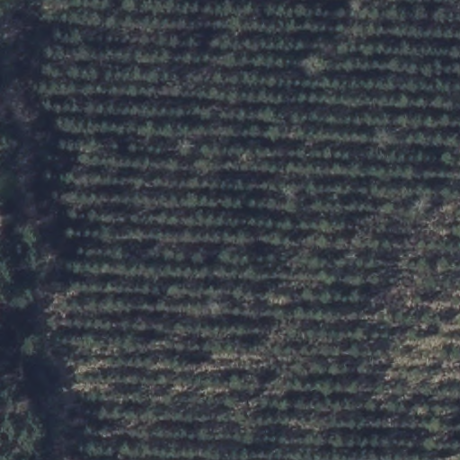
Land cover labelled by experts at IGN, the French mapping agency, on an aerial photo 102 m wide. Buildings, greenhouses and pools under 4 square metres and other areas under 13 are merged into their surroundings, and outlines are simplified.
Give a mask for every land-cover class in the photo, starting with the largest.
<instances>
[{"label":"brushwood","instance_id":"1","mask_svg":"<svg viewBox=\"0 0 460 460\"><path fill-rule=\"evenodd\" d=\"M180 4H198V11L160 13L149 9H124V0H110L108 7H59L56 18L50 20L45 25V31L49 34L45 41V45L49 47L45 72L50 75V83L75 84V92H31L32 110L40 113L41 119L50 129L47 151L41 160L40 174L49 180L47 185L54 192L102 196L194 194L205 198L241 199V207H146L126 203H68L70 212L57 216L50 223L54 228V234L59 235L66 243V253L59 257L66 262H90L110 266L144 264L194 270L208 268L207 277H129L66 270L63 277L70 287L63 295L54 296V302L50 304L49 309V336L50 340L56 343L59 336H93L99 340H111L108 349L101 350L99 345H95L92 350L75 347L68 358L79 359L83 363L106 359L122 358L124 350L115 349L113 340L129 338L133 341L169 340L178 343L232 345V352H223L221 356L212 354L208 365H214L216 370L246 368V376L243 379L257 383L253 390H244L237 401L243 402V413L252 417H293L289 426H244L234 420L219 422V413H230V408L225 406L201 404V413H207L205 422L147 420L144 411L147 410L174 411L171 404L142 399L140 402L92 401L88 404V411L83 415L84 422L90 426L84 431L90 444L113 447V453L108 456L110 460H133L122 455V446L181 447L216 451H311L343 455H420L426 447V438L428 431L424 428H392L394 420H386L390 410H376V404L368 401L372 394H352L349 392L350 383L383 385L386 381V370L392 368L394 359L413 352L410 343H415V340L437 336L438 327L424 325L420 320L408 331L406 323L392 325L377 322L376 313L383 311L388 314L401 313L410 316L431 314L442 316L446 322L449 323L455 320L456 316H460V252L419 250V241L460 244V180L298 174L289 171L280 174L235 169L199 171L196 162L203 160L217 165L237 162L241 158L237 155H205L201 153L203 146L268 147L305 149V156H250L252 164L322 167L363 165L385 169L411 167L415 171L460 172V146L410 144L408 137L424 133L460 137V126H426V119H428V117H431V119H440V117H451V119H460V108L226 101L164 95L162 88L180 86L187 90H232L277 95L309 93L336 97H410L460 101V75L455 72H433L426 75L379 68H325L307 72L304 66H226L219 63L180 61L146 63L138 59H77L74 57V50H140L172 56H273L300 61L307 57H316L323 61L358 59L404 61L415 65H460V57L327 52L314 49V43H347L350 34L338 32V25L422 27L460 31V0H361V9H404V20H390L367 18L361 14L352 16L350 0H172ZM228 2L234 5H253V13L241 14L239 20L273 23L275 32L207 27L205 22L230 20L226 14L205 13V5ZM268 5L320 7L327 11V16H279L268 13ZM75 13L99 14L101 23H72V14ZM110 16L140 20H189L194 22L196 29H113L108 27ZM287 22L320 23L325 25V31H289ZM160 36H176L178 40L194 38L196 47L158 45ZM216 38L250 41L298 40L304 41V49H219L212 43ZM110 70L169 72V79H106V72ZM189 74L237 75L239 83H198L189 81ZM244 74L340 81H446L449 83V90L428 92L408 88L377 90L250 84L244 81ZM113 86H144L156 88V93L117 95L113 93ZM45 102H77L79 111L45 110ZM88 104H146L162 108H183V115L90 113ZM226 110H271L277 113V117L275 120L223 119L221 111ZM293 113H325L345 117L388 115L390 119L388 124L377 126L332 124L316 120L298 122L291 119ZM59 120L111 124L131 122L142 126L181 124L189 126V135L144 137L140 133L113 131L74 133L59 128ZM216 126L259 128V135L219 137L210 135ZM296 129L365 133L367 142L304 140L295 137ZM63 140H97L101 144V156L131 160L147 158L156 162L176 160L178 169L169 171L83 164L77 151L61 149ZM370 149L388 155L422 153L424 160L388 162L381 158H368ZM68 172L75 176L101 174L115 178H142L144 185H74L65 181ZM155 178L241 180L252 183V189L156 187ZM295 183L347 185L350 192H295L291 187ZM429 187V198L428 207L424 208L428 214H433L444 205L453 207L451 212H447V216H451L449 226H455V234L440 235L437 232H426V225H420L415 219L419 216V212L413 208L419 201L417 196L394 198L361 194V187ZM316 201L367 203L372 205V210L320 212L313 210V203ZM160 214L237 217L239 225L151 223L149 216ZM250 217L291 221V228L287 230L280 226H252ZM305 221H345V228L302 230L300 223ZM68 228L113 232L140 230L167 234L228 232L252 237L261 235L262 239L264 235H280L289 237L291 241L289 246H277L264 241H102L95 237H68ZM354 239L390 241V248H358L354 246ZM79 248L122 250L124 257L115 259L108 255H81ZM404 259L428 262L431 275L435 279V287L429 289L419 286L415 280L417 270L402 268L401 261ZM217 268L239 271L253 268L257 271L280 273L279 279H221L217 277ZM108 284L158 286V293H106ZM399 284L410 287L415 295V305H406L404 295H392L390 289ZM172 286L194 289L239 287L253 291V300L235 296H176L169 293V287ZM304 291L341 295L359 293V300L289 302L284 295H300ZM61 300L79 304L106 300H124L133 304H201L203 313H63L59 309ZM219 304L255 309L257 316L252 318L237 314H217ZM268 309H305L338 313L361 311L363 314L359 320L349 322H323L302 318L279 320L268 316ZM178 323L210 327H259V334H181L176 332ZM358 329L363 331V340H309V331ZM275 345L295 350L340 347V356L309 358L313 363L329 367L345 365L349 368L347 374L313 372L307 376L304 374L300 379L302 383H341L340 392L322 394L314 390H287L286 381H279L277 372L270 370L271 363L279 358L273 349ZM261 397L287 401V408H255L250 401ZM296 401H350L352 408L298 410ZM101 410L135 411L137 420L101 419ZM331 417L363 419L365 428H302L300 419ZM133 429H207L208 433L228 431L279 437L404 438L413 440V446H316L212 438L201 440L131 437ZM381 43L390 47L411 45L460 49V38H424L406 34H363L356 38V45Z\"/></svg>","mask_w":460,"mask_h":460},{"label":"coniferous trees","instance_id":"2","mask_svg":"<svg viewBox=\"0 0 460 460\"><path fill-rule=\"evenodd\" d=\"M108 7L110 0H43L45 20H50L56 18L59 7ZM124 9H149L160 13L198 11V4H180L172 0H124ZM352 16L361 14L367 18L390 20H404V9H361V0H350ZM205 13L226 14L230 20L205 22L207 27L275 32L273 23L239 20L241 14L253 13V5H234L228 2L205 5ZM268 13L279 16H327V11L320 7L268 5ZM72 23H101L99 14L75 13L72 14ZM108 27L113 29H196L194 22L189 20H140L110 16ZM289 31H325V25L320 23L287 22ZM338 32L350 34L347 43H314V49L327 52L460 57V49L411 45L390 47L381 43L356 45V38L363 34H406L424 38H460V31L422 27L338 25ZM158 45L196 47L194 38L178 40L176 36H160ZM212 43L219 49H304V41L298 40L250 41L216 38ZM74 57L77 59H138L146 63L180 61L219 63L226 66H304L307 72L325 68H379L426 75L433 72H455L460 75V65H415L404 61L358 59L323 61L316 57H307L300 61L273 56H172L140 50H74ZM106 79H169V72L110 70L106 72ZM189 81L198 83H239L237 75L189 74ZM244 81L250 84L377 90L408 88L428 92L449 90V83L446 81H340L244 74ZM40 92H75V84L50 83H41ZM113 93L117 95L156 93V88L144 86H113ZM164 95L226 101L460 108V101L410 97H336L309 93L277 95L232 90H187L180 86L162 88ZM45 110L79 111L77 102H45ZM90 113L183 115V108H162L146 104H88ZM223 119L275 120L277 117V113L271 110H226L221 111ZM291 119L298 122L316 120L332 124L377 126L388 124L390 119L388 115L345 117L325 113H293ZM426 126H460V119H451V117H440V119H431V117H428V119H426ZM59 128L74 133L113 131L140 133L144 137L189 135V126L181 124L142 126L131 122L111 124L59 120ZM210 135L219 137L259 135V128L216 126ZM295 137L304 140L367 142L365 133L296 129ZM410 144L460 146V137L424 133L408 137ZM61 149L77 151L83 164L169 171L178 169L176 160L156 162L147 158L131 160L101 156V144L97 140H63ZM201 153L205 155H237L241 158L237 162L217 165L203 160L196 162L199 171L235 169L280 174L289 171L298 174L460 180V172L415 171L411 167L385 169L363 165L322 167L252 164L250 156H305V149L268 147L203 146ZM368 158H381L388 162L424 160L422 153L388 155L370 149ZM65 181L74 185H144L142 178H115L101 174L75 176L68 172ZM156 187L252 189V183L241 180L155 178ZM291 187L295 192H350L347 185L295 183ZM361 194L394 198L417 196L429 198V187H361ZM52 196L56 201L68 203H126L146 207H241V199L205 198L194 194L102 196L54 192ZM313 210L320 212L372 210V205L367 203L316 201L313 203ZM151 223L239 225L237 217L160 214L149 216ZM252 226H280L287 230L291 228V221L250 217ZM302 230L345 228V221H305L300 223ZM23 241L29 246V266L34 268H38V252L34 243L36 234L32 228H23L22 234ZM68 237H95L102 241H264L277 246H289L291 241L289 237L280 235H264L262 239L261 235L252 237L228 232L167 234L140 230L113 232L68 228ZM354 246L358 248H390V241L354 239ZM419 250L460 252V244L419 241ZM81 255H108L115 259L124 257L122 250L79 248ZM11 280V271L0 255V302L4 298L2 287ZM402 268L417 270L415 280L419 286L429 289L435 287V279L431 275L428 262L404 259L401 261ZM66 270L129 277H207L208 268L194 270L144 264L110 266L90 262H66ZM280 273L257 271L253 268L239 271L217 268V277L221 279H279ZM106 293H158V286L108 284ZM169 293L176 296H235L253 300V291L239 287L194 289L172 286L169 287ZM289 302L359 300V293L341 295L304 291L300 295H284ZM59 309L63 313H203L201 304H133L124 300H106L79 304L61 300ZM217 314H237L252 318L257 316L255 309L219 304ZM363 314L361 311L338 313L305 309H268V316L279 320L302 318L323 322H349L359 320ZM377 322L392 325L406 323L408 331L420 320L424 325L438 327L446 322L442 316L431 314L410 316L401 313L388 314L383 311L376 313ZM176 332L181 334H259V327H210L178 323ZM309 340H363V331L358 329L309 331ZM111 340H99L93 336H59L56 343L75 347L92 350L95 345H99L101 350L108 349ZM115 349L124 350L176 349L192 352L198 350L212 354L221 356L223 352H232V345L178 343L169 340L133 341L129 338L113 340ZM273 349L279 358L271 363L270 370L277 372L279 381H286L287 390H314L322 394L340 392L341 383H302L300 379L304 374L307 376L313 372L347 374L349 368L345 365L329 367L313 363L309 358L340 356V347L295 350L275 345ZM110 367L149 368L153 359L122 358L106 359ZM428 372V365H420L410 372L408 365H399V374L406 379L426 377ZM77 390L88 392V399L92 401L140 402L142 399L140 394H117L113 388L99 390L101 383L174 386L180 385L183 381L187 388L217 385L219 392L232 388L244 390H253L257 383L243 379L232 377L226 381L207 377H185L178 379L176 383L172 377H92V372L75 376ZM9 379V374H0V438L7 435L13 438L14 424L11 422V415L14 401L16 386L5 383ZM349 392L352 394H372L385 395L383 385L350 383ZM422 395L460 397V388L440 390L437 385L422 388ZM255 408H287V401L261 397L250 401ZM225 406L230 408V413H219V422L234 420L244 426H289L293 417H252L243 413V402L225 399ZM298 410L352 408L350 401H296ZM101 419L137 420L135 411L101 410ZM147 420L205 422L207 413H201L174 411L147 410L144 411ZM27 424H32V429L29 433L22 431L20 446L23 447V451L32 455L43 435L40 422L32 415L25 420ZM302 428H365L363 419L331 417L300 419ZM410 428H424L428 431H460V424H444L438 420H411ZM131 437L201 440L212 438L316 446H413V440L404 438L279 437L228 431L208 433L207 429H133ZM426 447L453 449V455H456L458 460H460V442H438L426 438ZM79 451L90 453L93 456L92 460H110L108 456L113 453V447L90 444L79 446ZM122 455L133 460H417L415 455H343L311 451H216L181 447L122 446Z\"/></svg>","mask_w":460,"mask_h":460},{"label":"bare soil","instance_id":"3","mask_svg":"<svg viewBox=\"0 0 460 460\"><path fill-rule=\"evenodd\" d=\"M50 20H45L43 0H0V97L5 102L13 104L11 108L18 119L13 133L9 137H0V167L5 172L13 174L14 187L5 192L23 207L14 214L2 217V221L9 228H13L16 234H22L23 228H32L36 234L34 243L38 252V268H34V279L31 280L32 286L29 287V291H32V302L29 307L32 309V336L38 338V347L34 354L40 358V363L27 370L22 359L16 358L13 354H5L0 358V374H9V379L5 383L16 386L14 401H29L32 415L40 422L43 435L49 438L50 442H54L56 460H92L93 456L90 453L79 451V446L90 444L84 431L90 426L84 422L83 415L88 411V404L92 401L88 399V392L77 390L75 376V370L83 363L79 359L68 358L75 347L56 343L50 340L49 336V309L50 304L54 302V296L63 295L70 287L63 277L66 270V262L59 257L66 253V243L59 235L54 234V228L50 223L57 216L70 212L68 203L56 201L52 196L54 192L47 185L49 180L40 174L41 160L47 151L50 129L41 119L40 113L32 110L31 92H40L41 83H50V75L45 72L49 47L45 45V41L49 34L45 31V25ZM419 201L413 208L419 212V216L415 219L420 225H426V232H437L440 235L455 234V226H449L451 216H447V212H451L453 207L444 205L433 214H428L424 208L428 207L429 198L417 196ZM392 295H404L406 305H415V295L410 287L399 284L390 289ZM413 352L394 359L392 368L386 370V381L383 385L385 395L372 394L368 401L376 404V410H390L386 420H394L392 428H410L411 420H438L444 424H460V397L422 395V388L437 385L440 390L460 388V316H456L455 320L449 323L446 322L438 327L437 336L415 340V343H410ZM399 365H408L410 372L420 365H428V372L426 377L406 379L399 374ZM426 438L438 442H460V431H428ZM417 460H458L456 455H453V449L426 447L420 455H415Z\"/></svg>","mask_w":460,"mask_h":460},{"label":"herbaceous vegetation","instance_id":"4","mask_svg":"<svg viewBox=\"0 0 460 460\"><path fill-rule=\"evenodd\" d=\"M13 104L5 102L0 97V137H9L13 133L18 119L11 108ZM14 187L13 174L5 172L0 167V255L11 271V280L2 287L4 298L0 302V358L5 354H13L16 358L22 359L27 370L40 363V358L34 354L38 347V338L32 336V309L29 307L32 302V291H29V287L32 286L31 280L34 279V268L29 266V246L23 241L22 234H16L13 228H9L2 221V217L14 214L23 207L5 192ZM122 358L153 359L149 368L110 367L106 359L83 363L75 370V376L92 372V377H172L176 383L178 379L185 377H207L226 381L232 377L243 379L246 376V368L216 370L214 365H208L212 354L198 350L192 352L176 349L124 350ZM113 388L117 394H140L142 399L171 404L174 411L201 413V404L225 406V399L237 401L244 390L232 388L219 392L217 385L187 388L183 381L180 385L174 386L101 383L99 390ZM32 415L29 401H14L11 415V422L14 424L13 438L7 435L0 438V460H56L54 442H50L49 438L43 435L32 455L23 451V447L20 446L22 431L29 433L32 429V424H27L25 420Z\"/></svg>","mask_w":460,"mask_h":460}]
</instances>
